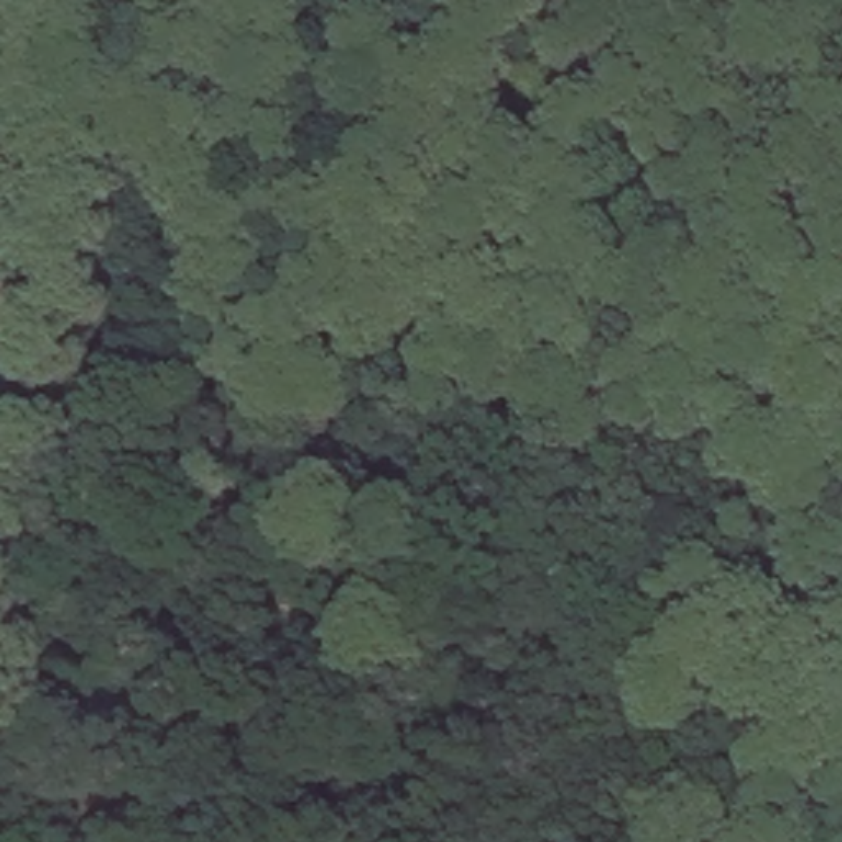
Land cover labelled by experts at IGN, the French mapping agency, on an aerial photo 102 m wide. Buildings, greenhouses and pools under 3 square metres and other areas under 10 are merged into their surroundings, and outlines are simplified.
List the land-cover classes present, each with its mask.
<instances>
[{"label":"coniferous trees","instance_id":"1","mask_svg":"<svg viewBox=\"0 0 842 842\"><path fill-rule=\"evenodd\" d=\"M132 184H138L148 207L161 217V230L174 247L171 276L161 289L178 303V309L204 316L211 322L214 342H227L237 352L253 335L293 342L319 329L332 335L335 352L372 355L378 349H388L391 332H398L405 322H414V335L401 345L408 378L398 385L405 388V408H414L421 414H428L434 401H441L451 411L457 398H507V418L513 421L566 424L562 444L569 447H582L585 441H592L599 424H628L655 437H684L694 428H707V474L747 487V497L727 500L714 510L717 523L727 536L747 539L750 549L710 553L704 543H694L687 556L664 553V569L641 579V589L648 595L661 599L664 592H684V602H674L668 612H661L655 635L635 638L625 658L615 661V678L622 687L628 724L645 730H664L671 737V747H664L668 763L648 773V789H628V796L622 799L632 842H842V0H0V536H13L20 530L46 536L56 530L49 523V503L56 500L49 490V467L66 460L56 447V431H66L69 418L33 414L30 398L62 401L66 391L59 382L23 385L16 378L23 375V368L49 355L59 332H66L76 322H99L105 316V293L92 283V266L76 263V250L102 253L109 214H92V201H102L112 191Z\"/></svg>","mask_w":842,"mask_h":842},{"label":"deciduous trees","instance_id":"2","mask_svg":"<svg viewBox=\"0 0 842 842\"><path fill-rule=\"evenodd\" d=\"M92 214H109L102 253L76 250V263L92 266V283L105 293V316L99 322H76L66 332H59L49 355L23 368V375L16 378L23 385L59 382L66 391L62 401L30 398L33 414L69 418L66 431H56V447L66 460L49 467V490L56 500L49 503V523L56 530L46 536L20 530L13 536H0V842H632L622 799L628 796V789H648V773L668 763L664 747H671V737L664 730H645L628 724L622 687L615 678V661L625 658L635 638L655 635L661 612H668L674 602H684V592H664L661 599L648 595L641 589V579L664 569V553L687 556L694 543H704L710 553L750 549L747 539L727 536L717 523L714 510L727 500L747 497V487L707 474V428H694L684 437H655L628 424H599L592 441H585L582 447H569L562 444L566 424L513 421L507 418V398H457L451 411L441 401H434L428 414H421L414 408H405V388L398 385L408 378L401 345L414 335V322H405L398 332H391L388 349H378L372 355L335 352L332 335L319 329L293 342L253 335L237 352L227 342H214L211 322L204 316L178 309V303L161 289L171 276L174 247L161 230V217L148 207L138 184H132L112 191L102 201H92Z\"/></svg>","mask_w":842,"mask_h":842}]
</instances>
